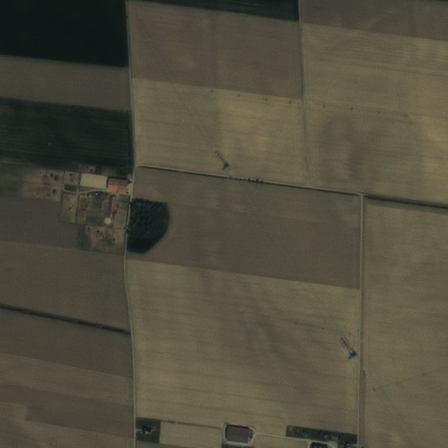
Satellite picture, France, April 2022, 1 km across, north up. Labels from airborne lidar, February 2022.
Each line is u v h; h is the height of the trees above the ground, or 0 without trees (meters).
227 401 0
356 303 0
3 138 0
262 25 0
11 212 0
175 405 0
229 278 0
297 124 0
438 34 0
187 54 0
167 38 0
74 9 0
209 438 0
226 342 0
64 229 0
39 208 0
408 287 0
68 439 0
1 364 0
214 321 0
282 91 0
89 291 0
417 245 0
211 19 0
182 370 0
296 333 0
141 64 0
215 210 0
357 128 0
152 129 0
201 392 0
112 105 0
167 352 0
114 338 0
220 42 0
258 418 0
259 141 0
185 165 0
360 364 0
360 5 0
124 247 0
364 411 0
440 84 0
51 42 0
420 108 0
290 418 0
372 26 0
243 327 0
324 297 0
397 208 0
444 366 0
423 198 0
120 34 0
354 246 0
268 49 0
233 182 0
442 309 0
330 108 0
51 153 0
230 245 0
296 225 0
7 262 0
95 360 0
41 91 0
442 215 0
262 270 0
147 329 0
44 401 0
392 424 0
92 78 0
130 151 0
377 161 0
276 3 0
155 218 18
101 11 0
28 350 0
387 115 0
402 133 0
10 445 0
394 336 0
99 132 0
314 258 0
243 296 0
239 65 0
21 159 0
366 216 0
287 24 0
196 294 0
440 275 0
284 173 0
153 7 0
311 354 0
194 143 0
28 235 0
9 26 0
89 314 0
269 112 0
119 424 0
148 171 0
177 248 0
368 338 0
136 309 0
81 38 0
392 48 0
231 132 0
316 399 0
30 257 0
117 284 0
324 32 0
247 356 0
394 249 0
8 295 0
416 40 0
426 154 0
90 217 0
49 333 0
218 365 0
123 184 0
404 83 0
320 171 0
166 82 0
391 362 0
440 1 0
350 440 0
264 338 0
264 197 0
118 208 0
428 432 0
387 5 0
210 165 0
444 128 0
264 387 0
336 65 0
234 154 0
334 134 0
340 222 0
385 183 0
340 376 0
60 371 0
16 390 0
